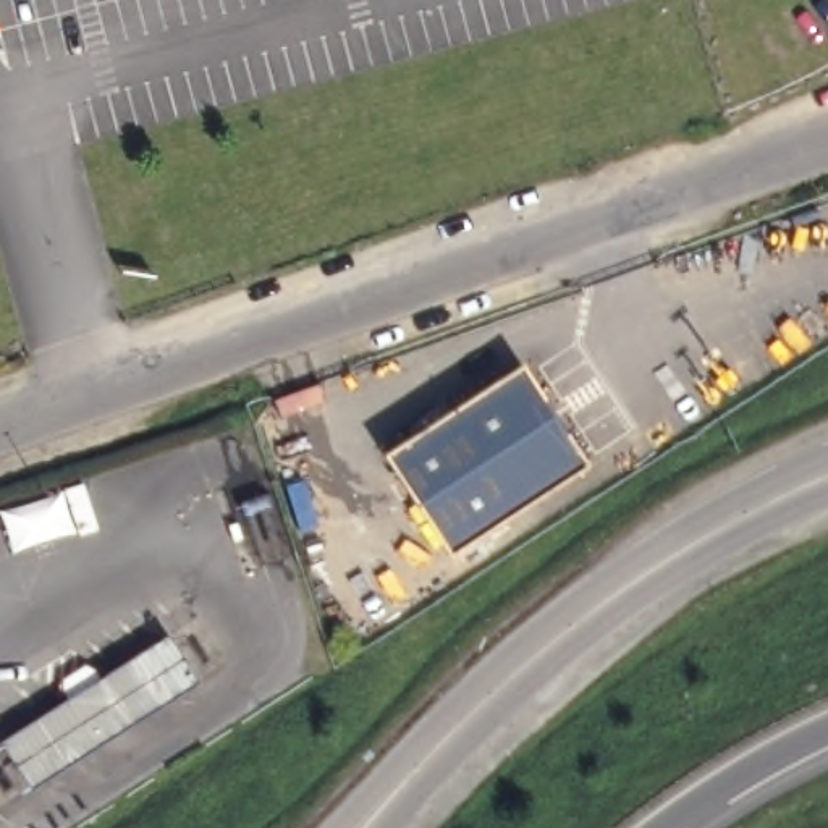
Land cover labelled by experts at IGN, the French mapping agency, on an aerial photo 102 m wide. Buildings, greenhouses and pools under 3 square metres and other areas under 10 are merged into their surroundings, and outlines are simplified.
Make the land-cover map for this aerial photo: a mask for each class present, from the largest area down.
<instances>
[{"label":"impervious surface","instance_id":"1","mask_svg":"<svg viewBox=\"0 0 828 828\"><path fill-rule=\"evenodd\" d=\"M631 0H0V259L19 320V336L0 346V475L78 450L104 446L126 433L146 430L149 424L168 420V414L175 401L201 388H210L236 375H256L262 385H268L265 398L275 408L252 420L249 427L226 433L220 440L178 450L104 479H87L84 485L97 514V534L91 537H55L29 550H13L3 524L6 511H0V828H78L129 789H136L142 779L194 754L201 744H220L233 731V725H249L272 705L301 692L307 689L301 676L307 657V634L320 627V640H333L336 627L349 621L356 634H365V644L385 637V624L401 618L404 608L417 615L420 608L433 605L440 595H446L443 585L450 579L488 560L508 540L553 514L556 508H563L579 492L598 485L615 472L644 469L653 450H660L673 433L699 420L715 404H721L725 395L737 391L747 382H757L760 375L805 353L815 340L828 333V204L818 210L799 207L786 191L818 175H828V81L815 84L812 97H799L744 126L728 129L705 142H686L647 149L640 155L602 165L598 171L582 178L540 184L524 197L482 204L469 210V217L450 213L443 226H417L411 233L356 249L353 262L340 256L330 259L323 268L288 272L278 285L272 278H262L249 288V294L230 291L158 320L120 323L116 307L123 301L116 278L126 265H113L110 259V246L100 230L81 149L97 139L123 136V126L129 123L146 129L181 116H201L207 107L223 110L252 97H268L343 74L372 71L382 65L420 58L443 49H459L492 36L569 19L579 13ZM514 365L521 369L534 395L556 411L566 443L582 463V469L553 485L550 492H543L540 498H534L530 505H524L518 514L505 518L479 540L453 550L443 530L433 524L430 511L424 508L420 492L408 482V475L401 482L388 475L378 466V453L408 440L411 433H417L469 395L482 391ZM162 640L175 644L188 660V676H194L191 686L175 692L168 702L149 708L146 715L133 718L120 731L107 734L61 770H52L39 783H26L16 760L10 757L6 741L16 731L39 721L42 715H49L52 708L65 705V679L81 666H94L97 673L110 676L113 670L126 666L129 660H136ZM828 534V417L750 453L734 466H725L686 485L682 492L657 505L631 534L615 540V547L585 572L576 582H569L556 598H550L537 615H530L518 631H511L453 689H446L440 702L385 754V760L330 812V818L320 822V828H443L456 805L469 799V792L479 783L488 779L498 770L537 731H543L585 686L608 673L621 657H627L650 631L679 615L695 595L760 560L783 553L792 543ZM815 776H828V702L799 712L796 718L705 763L699 773L663 792L653 805L637 812L621 828H731L767 799L796 789L799 783H809Z\"/></svg>","mask_w":828,"mask_h":828},{"label":"herbaceous vegetation","instance_id":"2","mask_svg":"<svg viewBox=\"0 0 828 828\"><path fill-rule=\"evenodd\" d=\"M828 81V0H631L579 13L569 19L492 36L459 49H443L420 58L382 65L372 71L343 74L268 97H252L223 110L207 107L201 116H181L146 129L149 152L142 158H129L123 152V136L97 139L81 149L100 230L110 246V259L113 265H126L116 278L123 301L116 307L120 323L158 320L230 291L249 294V288L262 278H272L278 285L288 272L323 268L330 259L340 256L353 262L356 249L411 233L417 226H443L450 213L469 217V210L482 204L524 197L540 184L582 178L598 171L602 165L640 155L647 149L686 142V116L721 113L728 129L744 126L799 97H812L815 84ZM799 207L818 210L828 204V175H818L786 191ZM19 336V320L0 259V346ZM828 417V333L815 340L805 353L760 375L757 382H747L737 391L725 395L721 404H715L699 420L673 433L660 450H653L644 469L615 472L598 485L579 492L563 508H556L553 514L508 540L488 560L450 579L443 585L446 595H440L433 605L420 608L417 615L404 608L401 618L385 624V637L365 644L359 647V657L353 663L330 670L311 682V689L333 712L323 731L311 728L307 699L301 692L272 705L249 725H233V731L220 744H201L194 754L142 779L136 789H129L78 828H294V822H301L317 805L323 792L333 789L340 773L372 747V741L417 699V692L427 682H433L456 660V653L466 644H472L505 608L524 598L547 576L560 572L566 563H579L585 572L615 547V540L631 534L657 505L682 492L686 485L725 466H734L750 453ZM268 385H262L256 375H236L210 388H201L175 401L168 414L178 420L217 408L223 401H236V408L246 411V417L252 420L275 408L265 398ZM828 702V534L792 543L783 553L760 560L695 595L679 615L650 631L627 657H621L608 673L585 686L543 731H537L498 770L505 779L530 792L527 818L518 822L514 815L498 812L492 805L495 786L488 779L479 783L469 792V799L456 805L443 828H621L637 812L653 805L663 792L699 773L705 763L796 718L799 712ZM731 828H828V776H815L809 783H799L796 789L767 799Z\"/></svg>","mask_w":828,"mask_h":828},{"label":"building","instance_id":"3","mask_svg":"<svg viewBox=\"0 0 828 828\"><path fill-rule=\"evenodd\" d=\"M378 466L388 475L401 482L408 475V482L420 492L424 508L430 511L433 524L443 530L453 550L479 540L505 518L518 514L524 505H530L534 498H540L543 492H550L553 485L582 469V463L566 443L556 411L534 395L521 369L514 365L482 391L469 395L417 433H411L408 440L378 453ZM3 524L13 550H29L55 537H91L97 534V514L84 485L6 511ZM194 676H188V660L175 644L162 640L136 660H129L126 666L113 670L110 676L97 673L94 666H81L65 679V705L52 708L49 715H42L39 721L16 731L6 741L10 757L16 760L26 783H39L52 770H61L107 734L120 731L133 718L146 715L149 708L168 702L175 692L191 686Z\"/></svg>","mask_w":828,"mask_h":828},{"label":"brushwood","instance_id":"4","mask_svg":"<svg viewBox=\"0 0 828 828\"><path fill-rule=\"evenodd\" d=\"M728 129L721 113L686 116V142H705ZM123 152L129 158H142L149 152L146 129L129 123L123 126ZM252 420L246 417V411L236 408V401H223L217 408L178 420L168 414V420L149 424L146 430L126 433L104 446L78 450L0 475V511H6L84 485L87 479H104L178 450L220 440L226 433L249 427ZM365 644V634H356L349 621L336 627L333 640H320V627L307 634V657L301 676L307 689L301 692L307 699L311 728L323 731L333 712L311 689V682L330 670L353 663L359 657V647ZM495 786L492 805L498 812L514 815L518 822L527 818L530 792L505 779L498 770L488 779Z\"/></svg>","mask_w":828,"mask_h":828},{"label":"pervious surface","instance_id":"5","mask_svg":"<svg viewBox=\"0 0 828 828\"><path fill-rule=\"evenodd\" d=\"M585 572L579 563H566L560 572L547 576L524 598L505 608L472 644H466L456 653V660L433 682H427L417 692V699L372 741V747L340 773L333 789L323 792L317 805L301 822H294V828H320V822L330 818V812L385 760V754L440 702L446 689H453L511 631H518L530 615H537L550 598H556L569 582H576Z\"/></svg>","mask_w":828,"mask_h":828}]
</instances>
